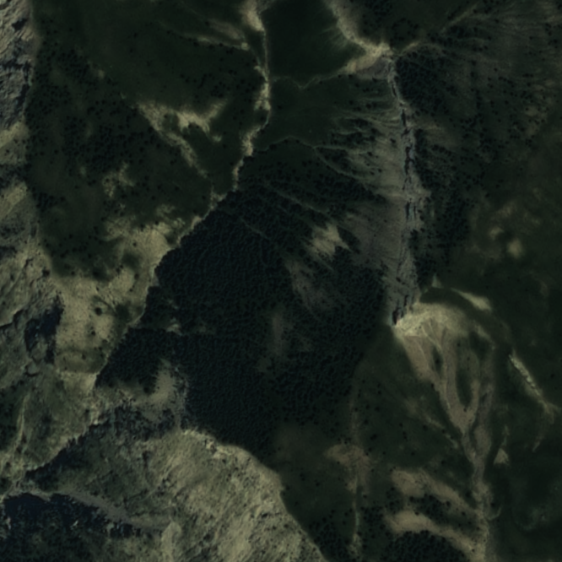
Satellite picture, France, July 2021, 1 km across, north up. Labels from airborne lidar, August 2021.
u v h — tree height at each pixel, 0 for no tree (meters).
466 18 0
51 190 0
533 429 0
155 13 0
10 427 15
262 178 6
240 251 18
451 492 0
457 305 0
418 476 0
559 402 0
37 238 0
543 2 0
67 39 0
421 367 0
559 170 0
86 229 0
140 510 0
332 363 9
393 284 0
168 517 0
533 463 0
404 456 0
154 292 15
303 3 0
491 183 0
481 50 8
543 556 0
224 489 0
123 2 0
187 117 0
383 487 0
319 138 0
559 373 0
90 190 0
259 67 0
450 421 0
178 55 0
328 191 15
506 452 0
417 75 13
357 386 0
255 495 0
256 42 0
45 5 0
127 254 0
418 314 0
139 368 17
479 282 0
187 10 0
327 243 0
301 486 0
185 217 0
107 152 14
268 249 18
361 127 8
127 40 0
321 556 0
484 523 0
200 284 11
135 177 0
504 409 0
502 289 0
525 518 0
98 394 0
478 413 0
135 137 14
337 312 9
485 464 0
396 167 0
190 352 14
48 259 0
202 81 9
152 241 0
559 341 0
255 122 0
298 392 7
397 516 0
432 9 0
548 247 0
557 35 0
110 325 0
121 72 0
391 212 0
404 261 0
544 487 0
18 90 0
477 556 0
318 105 0
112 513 0
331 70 0
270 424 9
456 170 9
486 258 0
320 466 0
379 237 0
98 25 0
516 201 0
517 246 0
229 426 12
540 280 0
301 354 9
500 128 0
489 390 0
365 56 0
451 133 0
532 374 0
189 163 0
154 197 10
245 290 18
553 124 0
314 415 7
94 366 0
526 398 0
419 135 12
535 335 0
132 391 0
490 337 0
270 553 0
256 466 0
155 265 0
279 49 0
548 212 0
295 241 7
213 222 21
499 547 0
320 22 0
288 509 0
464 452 0
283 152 0
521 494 0
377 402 0
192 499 0
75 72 5
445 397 0
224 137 0
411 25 8
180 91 0
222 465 0
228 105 0
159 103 0
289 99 0
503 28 0
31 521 11
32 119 11
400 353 0
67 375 0
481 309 0
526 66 0
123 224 0
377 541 0
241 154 0
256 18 0
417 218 0
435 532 0
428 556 12
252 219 17
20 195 0
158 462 0
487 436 0
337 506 0
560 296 0
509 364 0
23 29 0
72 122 7
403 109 0
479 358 0
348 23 0
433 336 0
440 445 0
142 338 9
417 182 0
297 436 0
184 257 14
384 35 0
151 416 0
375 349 0
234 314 8
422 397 0
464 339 0
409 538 16
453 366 0
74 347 0
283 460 0
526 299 0
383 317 0
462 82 0
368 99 0
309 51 0
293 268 0
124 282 0
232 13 0
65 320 0
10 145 0
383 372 0
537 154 0
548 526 0
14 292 0
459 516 0
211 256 10
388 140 0
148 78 0
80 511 16
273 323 0
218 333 11
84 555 8
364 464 0
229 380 12
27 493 0
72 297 0
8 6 0
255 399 16
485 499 0
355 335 10
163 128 0
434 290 0
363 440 0
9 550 16
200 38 0
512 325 0
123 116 0
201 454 0
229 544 0
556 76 0
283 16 0
